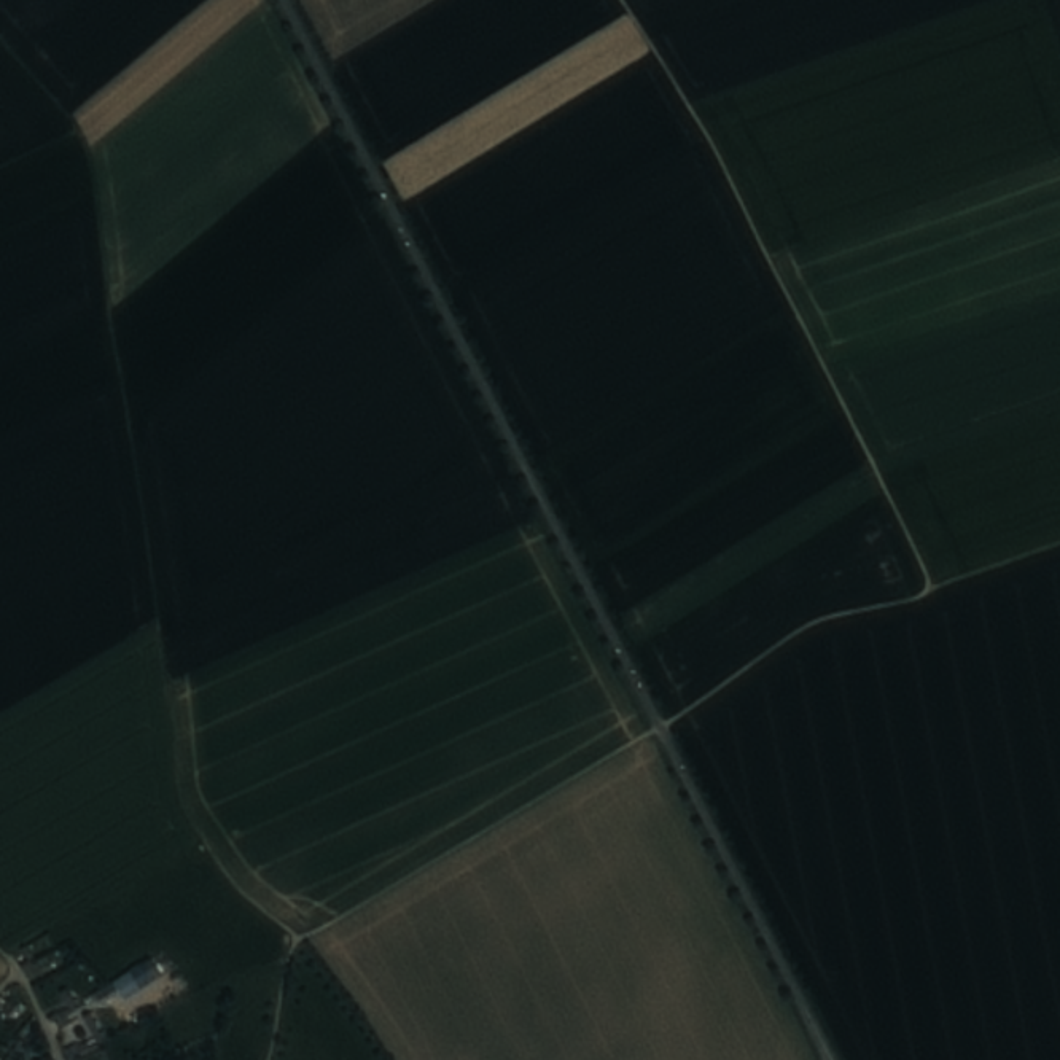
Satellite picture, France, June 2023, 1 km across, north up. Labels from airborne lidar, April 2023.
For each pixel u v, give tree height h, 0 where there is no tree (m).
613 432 0
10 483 0
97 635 0
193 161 0
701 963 0
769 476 0
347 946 0
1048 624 0
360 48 0
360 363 0
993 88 0
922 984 0
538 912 0
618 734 0
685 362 0
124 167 0
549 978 0
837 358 0
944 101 0
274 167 0
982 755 0
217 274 0
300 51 10
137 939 0
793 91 0
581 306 0
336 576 0
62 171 0
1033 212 0
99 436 0
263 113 0
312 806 0
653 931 0
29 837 0
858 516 0
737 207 0
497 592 0
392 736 0
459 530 0
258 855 0
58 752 0
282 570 0
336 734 0
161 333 0
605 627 0
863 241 0
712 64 0
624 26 0
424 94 0
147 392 0
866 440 0
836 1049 0
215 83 0
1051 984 0
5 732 0
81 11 0
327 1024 0
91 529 0
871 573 0
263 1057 0
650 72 0
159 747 0
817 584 0
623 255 0
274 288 0
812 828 0
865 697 0
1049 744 0
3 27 0
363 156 0
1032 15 0
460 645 0
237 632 0
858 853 0
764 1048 0
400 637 0
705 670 0
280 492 0
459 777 0
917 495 0
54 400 0
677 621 0
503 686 0
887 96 0
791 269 0
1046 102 0
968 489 0
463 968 0
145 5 0
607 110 0
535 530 0
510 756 0
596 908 0
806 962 0
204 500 0
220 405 0
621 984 0
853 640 0
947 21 0
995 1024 0
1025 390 0
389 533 0
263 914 0
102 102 0
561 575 0
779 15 0
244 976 0
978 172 0
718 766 0
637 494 0
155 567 0
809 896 0
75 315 0
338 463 0
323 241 0
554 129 0
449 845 0
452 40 0
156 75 0
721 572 0
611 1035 0
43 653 0
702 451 0
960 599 0
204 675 0
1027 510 0
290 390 0
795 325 0
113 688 0
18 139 0
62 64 0
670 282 0
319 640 0
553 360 0
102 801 0
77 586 0
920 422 0
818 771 0
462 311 14
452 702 0
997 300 0
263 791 0
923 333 0
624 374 0
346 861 0
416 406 0
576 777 0
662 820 0
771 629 0
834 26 0
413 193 0
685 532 0
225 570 0
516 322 0
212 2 0
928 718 0
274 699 0
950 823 0
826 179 0
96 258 0
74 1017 0
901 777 0
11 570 0
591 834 0
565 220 0
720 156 0
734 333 0
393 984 0
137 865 0
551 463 0
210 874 0
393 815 0
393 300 0
